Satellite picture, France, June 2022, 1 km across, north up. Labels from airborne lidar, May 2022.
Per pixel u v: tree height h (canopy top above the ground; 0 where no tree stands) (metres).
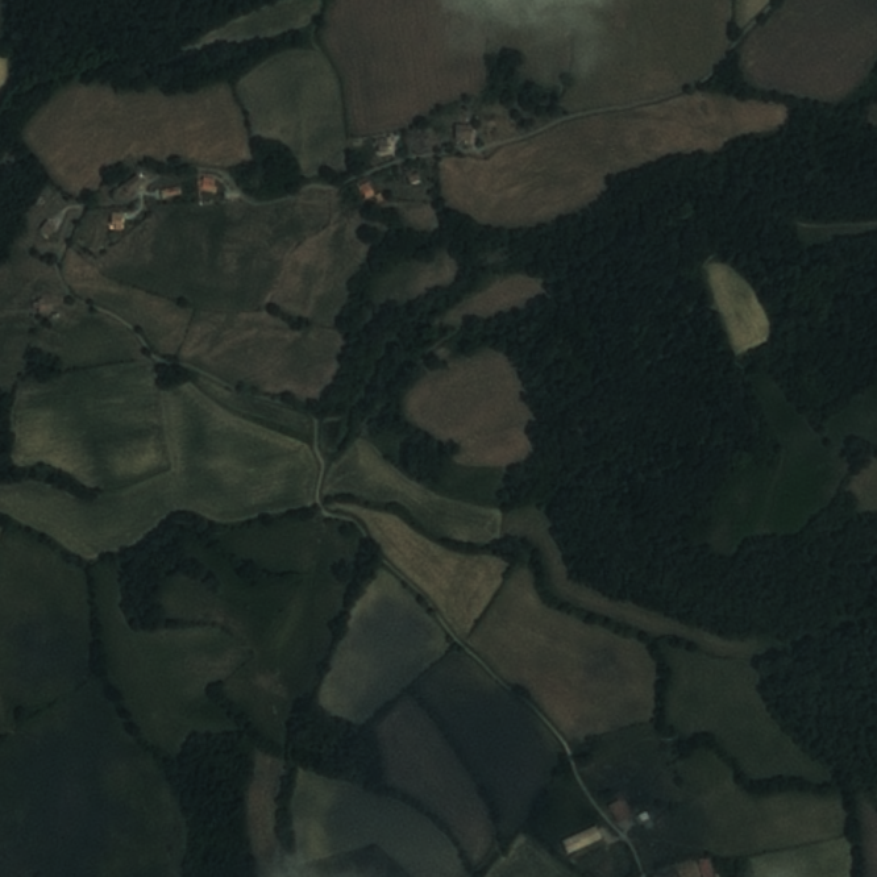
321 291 0
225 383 0
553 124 0
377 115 0
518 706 0
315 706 18
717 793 0
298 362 0
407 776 0
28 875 0
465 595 0
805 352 20
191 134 0
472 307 0
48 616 0
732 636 24
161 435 0
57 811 0
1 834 0
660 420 26
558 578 0
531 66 0
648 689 0
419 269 0
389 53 0
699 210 22
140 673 0
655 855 0
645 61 0
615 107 0
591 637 0
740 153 26
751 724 0
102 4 25
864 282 27
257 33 0
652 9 0
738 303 0
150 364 0
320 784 0
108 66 29
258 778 0
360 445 0
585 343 15
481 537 0
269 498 0
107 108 0
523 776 0
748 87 13
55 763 0
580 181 0
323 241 0
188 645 0
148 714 0
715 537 0
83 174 0
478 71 0
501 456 0
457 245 15
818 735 9
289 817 6
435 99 0
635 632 9
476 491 0
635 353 28
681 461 26
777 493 0
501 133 0
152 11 21
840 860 0
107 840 0
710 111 0
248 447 0
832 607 28
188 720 0
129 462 0
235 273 0
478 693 0
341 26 0
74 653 0
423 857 0
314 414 15
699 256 21
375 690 0
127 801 0
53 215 0
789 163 22
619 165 0
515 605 0
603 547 25
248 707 0
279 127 0
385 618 0
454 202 0
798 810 0
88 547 0
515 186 0
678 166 19
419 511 0
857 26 0
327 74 0
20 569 0
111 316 0
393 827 0
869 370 15
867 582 28
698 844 0
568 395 20
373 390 20
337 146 0
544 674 0
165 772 9
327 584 0
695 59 0
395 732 0
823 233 0
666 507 26
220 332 0
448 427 0
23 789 0
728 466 20
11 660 0
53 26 27
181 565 18
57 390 0
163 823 0
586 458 26
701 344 26
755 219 20
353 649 0
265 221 0
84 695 0
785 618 28
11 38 19
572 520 26
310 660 0
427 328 23
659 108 0
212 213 0
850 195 20
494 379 0
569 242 18
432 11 0
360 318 19
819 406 9
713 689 0
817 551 22
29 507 0
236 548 0
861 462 17
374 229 9
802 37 0
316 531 0
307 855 0
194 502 0
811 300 34
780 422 0
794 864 0
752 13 0
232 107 0
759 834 0
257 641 0
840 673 18
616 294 22
